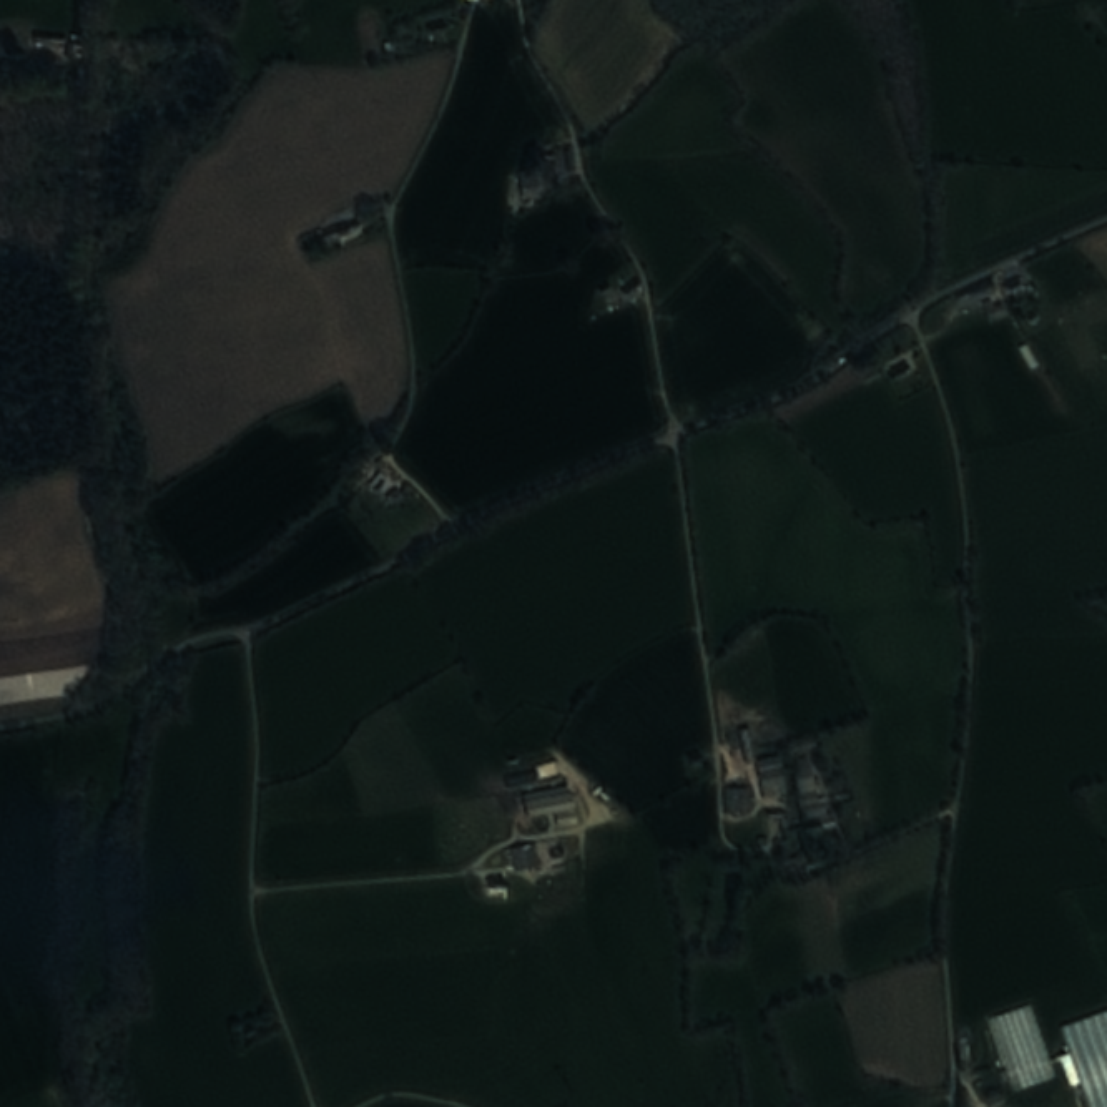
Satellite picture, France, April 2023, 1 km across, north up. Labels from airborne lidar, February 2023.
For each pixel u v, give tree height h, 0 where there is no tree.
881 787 0
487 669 0
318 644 0
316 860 0
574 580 0
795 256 0
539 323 0
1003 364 0
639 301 0
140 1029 0
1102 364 0
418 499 0
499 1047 0
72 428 27
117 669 25
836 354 7
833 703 0
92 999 0
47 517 0
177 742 0
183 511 0
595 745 0
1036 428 0
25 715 0
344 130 0
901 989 0
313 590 0
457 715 0
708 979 0
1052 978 0
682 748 0
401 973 0
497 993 0
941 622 0
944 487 0
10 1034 0
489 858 0
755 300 0
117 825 16
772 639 0
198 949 0
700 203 0
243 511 0
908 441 0
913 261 0
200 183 0
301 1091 0
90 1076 13
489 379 0
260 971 0
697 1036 11
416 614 0
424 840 0
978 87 0
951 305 0
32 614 0
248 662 0
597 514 0
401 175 0
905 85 16
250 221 0
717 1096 0
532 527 0
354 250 0
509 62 0
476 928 0
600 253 0
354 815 0
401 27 7
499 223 0
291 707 0
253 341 0
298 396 0
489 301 0
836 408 0
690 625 0
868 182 0
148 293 0
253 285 0
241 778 0
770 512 0
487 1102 0
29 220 16
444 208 0
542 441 0
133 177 16
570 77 0
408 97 0
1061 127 0
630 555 0
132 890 17
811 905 0
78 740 0
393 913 0
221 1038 0
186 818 0
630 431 0
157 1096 0
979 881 0
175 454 0
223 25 20
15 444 24
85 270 19
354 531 0
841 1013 10
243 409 0
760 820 0
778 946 0
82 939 9
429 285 0
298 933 0
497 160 0
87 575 0
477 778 0
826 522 0
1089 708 0
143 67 11
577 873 0
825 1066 0
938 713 0
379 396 0
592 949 0
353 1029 0
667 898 7
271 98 0
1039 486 0
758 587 0
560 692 0
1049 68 0
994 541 0
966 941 0
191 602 0
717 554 0
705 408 0
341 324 0
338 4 0
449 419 0
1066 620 0
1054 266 0
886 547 0
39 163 10
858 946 0
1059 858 0
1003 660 0
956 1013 0
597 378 0
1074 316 0
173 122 28
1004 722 0
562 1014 0
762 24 15
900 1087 8
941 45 0
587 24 0
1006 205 0
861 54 0
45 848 0
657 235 0
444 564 0
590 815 0
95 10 26
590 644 0
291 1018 0
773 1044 14
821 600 0
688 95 0
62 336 27
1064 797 0
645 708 0
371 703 0
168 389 0
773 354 0
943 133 0
